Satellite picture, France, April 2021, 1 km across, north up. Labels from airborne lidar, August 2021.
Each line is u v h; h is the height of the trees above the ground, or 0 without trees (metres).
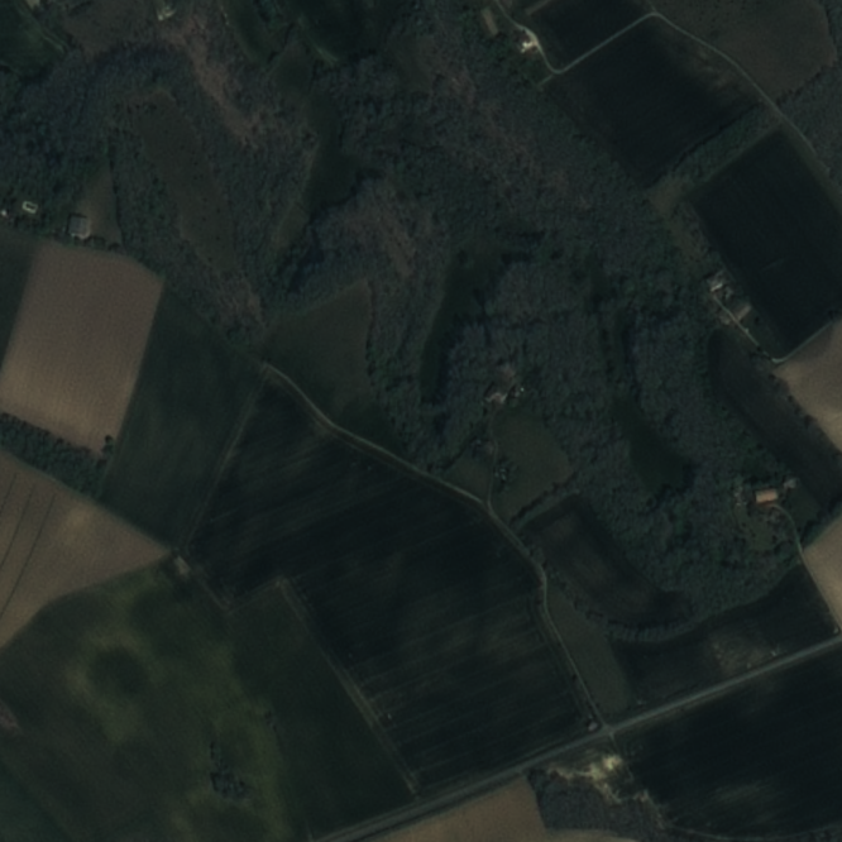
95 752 0
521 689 0
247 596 0
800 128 9
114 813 0
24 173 19
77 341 0
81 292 0
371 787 0
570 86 0
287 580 0
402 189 0
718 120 0
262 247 22
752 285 0
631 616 0
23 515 0
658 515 21
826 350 0
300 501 0
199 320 0
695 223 12
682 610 0
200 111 16
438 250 22
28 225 11
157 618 0
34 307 0
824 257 0
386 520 0
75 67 14
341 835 0
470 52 18
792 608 0
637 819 12
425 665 0
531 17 0
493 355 19
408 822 0
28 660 0
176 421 0
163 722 0
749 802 0
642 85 0
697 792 0
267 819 0
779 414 0
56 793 0
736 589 17
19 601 0
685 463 0
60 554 0
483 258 0
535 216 23
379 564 0
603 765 0
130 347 0
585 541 0
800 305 0
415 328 24
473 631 0
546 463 0
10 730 0
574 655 0
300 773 0
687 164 7
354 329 0
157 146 0
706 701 0
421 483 0
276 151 16
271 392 0
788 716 0
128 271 0
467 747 0
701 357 13
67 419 0
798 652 0
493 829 0
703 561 22
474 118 14
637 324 18
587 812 16
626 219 21
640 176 0
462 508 0
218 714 0
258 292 12
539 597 0
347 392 0
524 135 10
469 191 10
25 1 0
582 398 17
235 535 0
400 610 0
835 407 0
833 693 0
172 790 0
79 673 0
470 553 0
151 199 11
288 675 0
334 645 0
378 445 0
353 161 0
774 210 0
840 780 0
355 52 0
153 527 0
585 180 17
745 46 0
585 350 23
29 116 14
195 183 0
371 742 0
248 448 0
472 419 18
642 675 0
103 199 0
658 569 13
